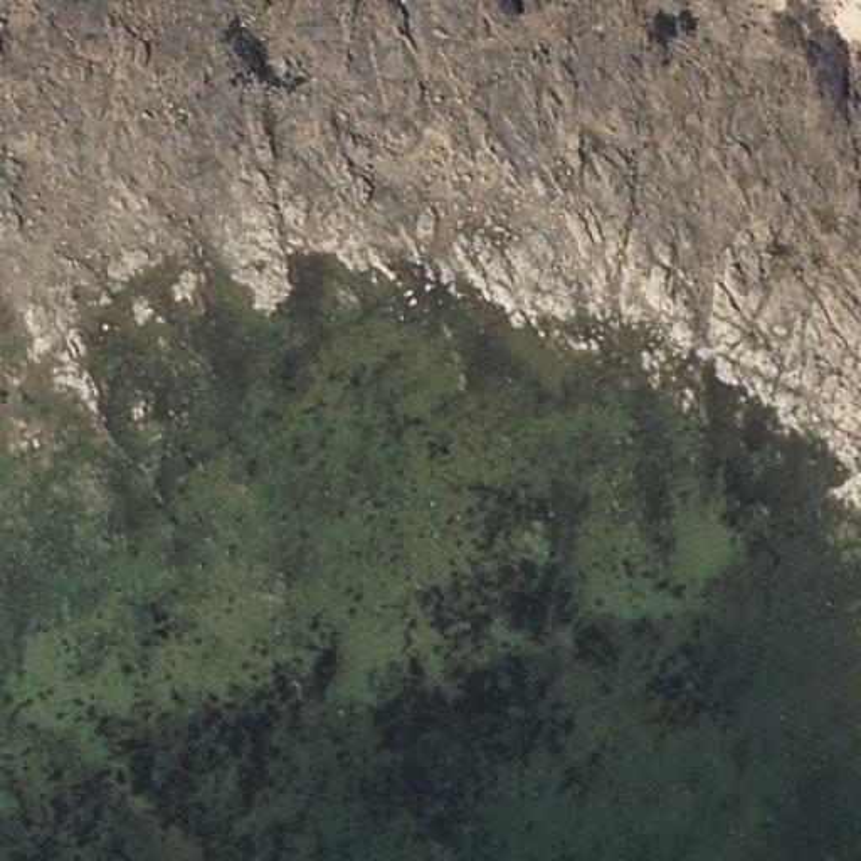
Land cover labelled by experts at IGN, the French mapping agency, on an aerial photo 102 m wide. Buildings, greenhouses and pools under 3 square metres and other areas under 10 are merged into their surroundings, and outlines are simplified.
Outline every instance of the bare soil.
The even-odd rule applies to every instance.
[[[165,323],[165,316],[151,306],[168,293],[175,293],[175,299],[182,299],[195,316],[202,316],[209,303],[229,303],[239,309],[249,299],[256,299],[256,309],[276,309],[289,296],[286,262],[296,252],[326,252],[346,269],[363,269],[370,283],[387,279],[397,293],[404,293],[407,306],[417,306],[414,286],[420,283],[424,289],[437,289],[444,283],[454,299],[471,296],[478,289],[481,299],[498,303],[508,313],[511,326],[528,323],[535,336],[548,346],[555,343],[578,353],[599,353],[599,343],[605,340],[609,326],[622,330],[626,323],[632,323],[632,333],[646,350],[642,370],[649,373],[649,387],[663,400],[673,400],[679,410],[689,410],[693,400],[703,394],[703,373],[716,367],[716,377],[723,383],[743,387],[763,407],[774,407],[777,420],[794,434],[824,437],[831,454],[848,467],[848,481],[834,488],[834,498],[861,508],[861,0],[0,0],[0,303],[24,320],[34,360],[40,360],[40,353],[61,360],[61,367],[54,367],[54,383],[71,387],[81,397],[84,410],[98,410],[98,390],[91,377],[77,370],[77,360],[87,350],[84,336],[91,330],[128,333],[135,323],[145,320]]]

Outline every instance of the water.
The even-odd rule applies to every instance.
[[[202,316],[195,316],[182,299],[175,299],[175,293],[168,293],[151,306],[165,316],[165,323],[145,320],[135,323],[128,333],[91,330],[84,336],[87,350],[77,360],[77,370],[91,377],[98,390],[98,410],[84,410],[81,397],[71,387],[54,383],[54,367],[61,367],[61,360],[40,353],[40,360],[34,360],[24,320],[0,303],[0,861],[861,861],[861,508],[834,498],[834,488],[848,481],[848,467],[831,454],[824,437],[794,434],[777,420],[774,407],[763,407],[743,387],[723,383],[716,377],[716,367],[703,373],[703,394],[693,400],[689,410],[679,410],[673,400],[663,400],[649,387],[649,373],[642,370],[646,350],[632,333],[632,323],[626,323],[622,330],[609,326],[605,340],[599,343],[599,353],[578,353],[555,343],[548,346],[535,336],[528,323],[511,326],[508,313],[498,303],[481,299],[478,289],[471,296],[454,299],[444,283],[437,289],[424,289],[420,283],[414,286],[417,306],[407,306],[404,293],[397,293],[387,279],[370,283],[363,269],[346,269],[326,252],[296,252],[286,262],[289,296],[276,309],[256,309],[256,299],[249,299],[239,309],[229,303],[209,303]]]

